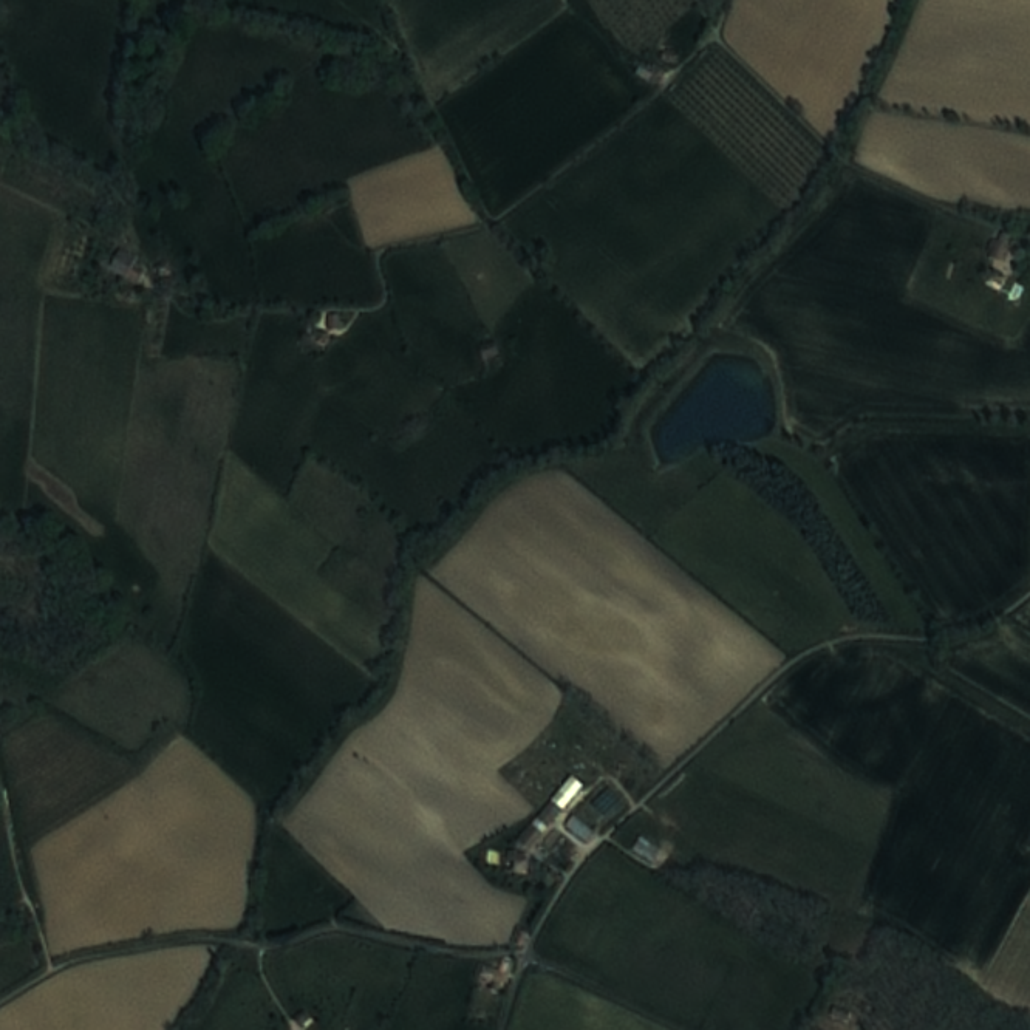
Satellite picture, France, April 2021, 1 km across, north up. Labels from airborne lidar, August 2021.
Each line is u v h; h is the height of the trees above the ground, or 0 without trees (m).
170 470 0
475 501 18
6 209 0
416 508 0
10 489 0
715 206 0
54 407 0
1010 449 0
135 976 0
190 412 0
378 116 0
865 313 0
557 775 0
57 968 0
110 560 0
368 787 0
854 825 0
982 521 0
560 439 0
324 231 0
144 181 0
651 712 0
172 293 19
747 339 0
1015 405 0
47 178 10
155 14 0
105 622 25
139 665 0
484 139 0
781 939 20
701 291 0
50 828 0
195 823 0
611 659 0
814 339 0
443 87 0
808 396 0
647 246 0
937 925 0
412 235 0
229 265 0
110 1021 0
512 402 0
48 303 0
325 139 0
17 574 8
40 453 0
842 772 0
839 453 0
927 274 0
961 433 0
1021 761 0
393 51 21
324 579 0
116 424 0
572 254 0
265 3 0
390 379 0
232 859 0
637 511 0
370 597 0
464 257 0
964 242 0
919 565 0
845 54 0
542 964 0
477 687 0
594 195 0
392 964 0
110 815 0
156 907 0
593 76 0
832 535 18
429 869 0
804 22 0
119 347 0
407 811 0
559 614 0
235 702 0
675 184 0
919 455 0
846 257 0
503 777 0
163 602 0
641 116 0
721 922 8
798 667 0
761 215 0
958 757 0
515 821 0
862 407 0
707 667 0
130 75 24
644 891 0
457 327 0
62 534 20
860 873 0
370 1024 0
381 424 0
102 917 0
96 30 0
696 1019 0
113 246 14
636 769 0
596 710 27
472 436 0
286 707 0
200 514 0
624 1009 0
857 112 23
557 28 0
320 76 13
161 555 0
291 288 0
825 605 0
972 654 0
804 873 0
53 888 0
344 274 0
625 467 0
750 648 0
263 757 0
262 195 0
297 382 0
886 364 0
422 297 0
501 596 0
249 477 0
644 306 0
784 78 0
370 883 0
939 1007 12
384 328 0
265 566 0
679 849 0
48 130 0
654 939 0
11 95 16
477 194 15
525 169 0
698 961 0
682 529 0
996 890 0
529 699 0
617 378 0
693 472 0
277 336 0
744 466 15
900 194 0
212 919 0
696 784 0
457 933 0
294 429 0
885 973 18
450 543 9
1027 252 17
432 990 0
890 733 0
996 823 0
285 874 0
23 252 0
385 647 14
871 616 14
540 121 0
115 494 0
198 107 0
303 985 0
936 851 0
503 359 0
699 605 0
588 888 0
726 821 0
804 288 0
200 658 0
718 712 0
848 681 0
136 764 0
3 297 0
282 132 0
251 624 0
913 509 0
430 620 0
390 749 0
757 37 0
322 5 0
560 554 0
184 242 0
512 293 0
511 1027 0
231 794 0
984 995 9
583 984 0
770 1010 0
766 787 0
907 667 0
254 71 0
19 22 0
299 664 0
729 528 0
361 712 10
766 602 0
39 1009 0
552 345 0
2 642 16
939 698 0
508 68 0
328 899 0
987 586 0
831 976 17
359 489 12
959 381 0
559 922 0
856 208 0
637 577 0
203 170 0
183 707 0
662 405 0
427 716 0
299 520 0
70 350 0
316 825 0
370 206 0
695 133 0
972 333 0
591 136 0
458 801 0
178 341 0
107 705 0
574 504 0
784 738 0
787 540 0
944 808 0
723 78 6
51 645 21
